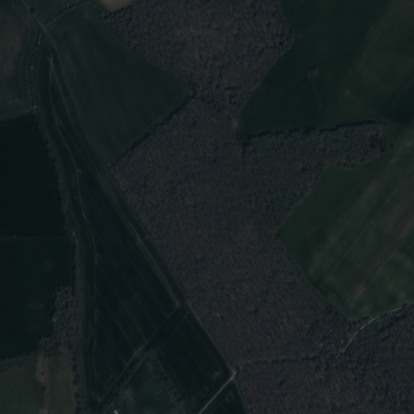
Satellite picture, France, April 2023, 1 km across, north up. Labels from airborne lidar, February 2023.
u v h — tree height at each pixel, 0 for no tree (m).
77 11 0
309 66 0
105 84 0
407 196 0
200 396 0
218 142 21
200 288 22
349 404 21
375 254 0
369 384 22
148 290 0
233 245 19
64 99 0
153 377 0
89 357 0
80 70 0
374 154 19
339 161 13
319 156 19
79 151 0
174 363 0
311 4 0
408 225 0
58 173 11
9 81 0
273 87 0
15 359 14
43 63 0
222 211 23
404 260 0
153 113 0
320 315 12
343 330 12
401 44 0
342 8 0
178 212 22
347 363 12
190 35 19
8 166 0
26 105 0
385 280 0
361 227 0
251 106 0
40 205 0
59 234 0
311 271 0
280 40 18
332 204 0
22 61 0
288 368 18
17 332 0
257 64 21
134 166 23
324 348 8
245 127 0
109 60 0
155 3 16
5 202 0
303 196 16
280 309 23
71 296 16
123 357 0
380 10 0
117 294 0
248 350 13
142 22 18
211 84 18
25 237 0
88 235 0
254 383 19
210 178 21
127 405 0
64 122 0
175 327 0
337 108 0
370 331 9
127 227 0
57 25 0
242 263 21
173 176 18
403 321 15
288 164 22
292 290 20
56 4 0
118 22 12
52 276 0
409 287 0
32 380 0
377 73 0
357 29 0
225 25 17
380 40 0
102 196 0
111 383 0
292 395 17
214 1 22
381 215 0
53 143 0
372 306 0
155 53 15
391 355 11
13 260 0
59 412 0
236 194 21
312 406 14
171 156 22
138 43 14
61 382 0
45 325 0
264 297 17
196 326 0
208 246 18
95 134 0
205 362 0
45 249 0
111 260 0
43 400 0
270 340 21
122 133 0
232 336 15
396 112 0
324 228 0
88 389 0
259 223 20
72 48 0
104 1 0
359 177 0
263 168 23
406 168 0
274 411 17
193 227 20
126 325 0
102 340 0
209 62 24
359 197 0
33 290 0
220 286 21
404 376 12
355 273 0
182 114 19
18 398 0
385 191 0
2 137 0
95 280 0
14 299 0
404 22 0
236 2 25
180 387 0
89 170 0
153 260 0
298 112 0
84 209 0
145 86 0
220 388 0
